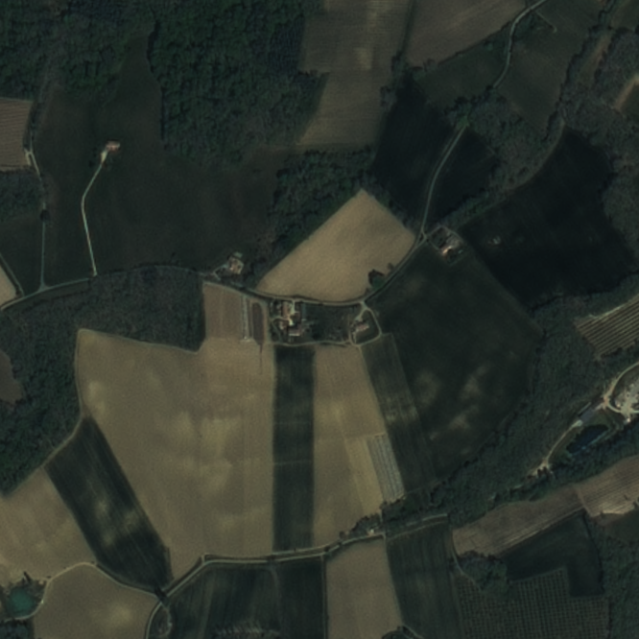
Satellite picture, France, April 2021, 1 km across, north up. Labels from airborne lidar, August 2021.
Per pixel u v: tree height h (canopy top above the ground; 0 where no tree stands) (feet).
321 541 0
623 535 0
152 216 0
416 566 0
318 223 67
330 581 0
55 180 0
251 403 0
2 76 54
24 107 0
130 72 0
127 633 0
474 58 0
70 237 0
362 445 0
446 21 0
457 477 51
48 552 0
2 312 37
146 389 0
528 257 0
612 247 0
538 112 0
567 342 87
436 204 0
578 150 0
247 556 0
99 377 0
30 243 0
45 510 0
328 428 0
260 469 0
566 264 0
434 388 0
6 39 65
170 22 96
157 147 0
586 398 75
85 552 0
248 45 72
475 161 0
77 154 0
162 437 0
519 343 0
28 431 81
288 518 0
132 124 0
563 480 60
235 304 0
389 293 0
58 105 0
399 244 0
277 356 0
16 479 56
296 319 35
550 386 40
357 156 34
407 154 0
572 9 0
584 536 0
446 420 0
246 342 0
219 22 85
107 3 48
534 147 36
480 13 0
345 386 0
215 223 0
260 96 63
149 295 63
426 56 0
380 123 0
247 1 91
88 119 0
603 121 62
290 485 0
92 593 0
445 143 0
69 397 70
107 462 0
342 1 0
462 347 0
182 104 75
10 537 0
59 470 0
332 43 0
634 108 0
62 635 0
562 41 0
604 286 0
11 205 58
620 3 25
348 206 0
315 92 23
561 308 69
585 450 0
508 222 0
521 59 0
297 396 0
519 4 0
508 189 0
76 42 77
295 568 0
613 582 58
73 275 0
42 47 52
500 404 0
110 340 0
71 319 52
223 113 73
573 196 0
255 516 0
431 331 0
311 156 49
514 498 47
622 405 0
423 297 0
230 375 0
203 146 73
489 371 0
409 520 60
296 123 50
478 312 0
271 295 0
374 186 70
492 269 0
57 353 62
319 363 0
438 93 0
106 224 0
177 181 0
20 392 0
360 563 0
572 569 0
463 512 53
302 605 0
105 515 0
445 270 0
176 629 0
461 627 0
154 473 0
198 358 0
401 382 0
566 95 45
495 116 63
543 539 0
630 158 44
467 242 0
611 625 34
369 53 0
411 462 0
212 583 0
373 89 0
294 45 51
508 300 0
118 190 0
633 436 72
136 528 0
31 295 0
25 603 0
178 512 0
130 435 0
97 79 52
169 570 0
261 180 0
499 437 65
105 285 39
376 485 0
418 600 0
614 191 71
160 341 35
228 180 0
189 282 52
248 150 51
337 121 0
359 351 0
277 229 32
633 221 69
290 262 0
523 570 0
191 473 0
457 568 42
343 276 0
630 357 61
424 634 0
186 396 0
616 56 69
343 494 0
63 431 62
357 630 0
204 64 71
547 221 0
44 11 47
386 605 0
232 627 0
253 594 0
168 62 68
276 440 0
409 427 0
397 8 0
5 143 0
